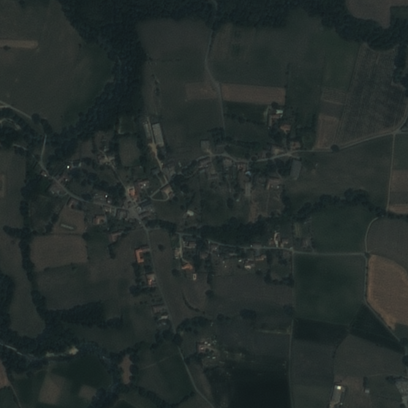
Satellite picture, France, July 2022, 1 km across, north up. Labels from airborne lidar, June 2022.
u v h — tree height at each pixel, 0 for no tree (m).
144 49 12
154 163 0
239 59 0
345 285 0
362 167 0
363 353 0
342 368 0
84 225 0
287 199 18
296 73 0
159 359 0
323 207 8
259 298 0
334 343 0
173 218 0
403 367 0
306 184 0
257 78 0
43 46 0
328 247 0
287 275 0
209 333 0
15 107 0
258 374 0
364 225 0
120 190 8
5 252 0
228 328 0
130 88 21
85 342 16
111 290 0
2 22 0
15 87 0
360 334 0
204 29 0
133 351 8
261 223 17
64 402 0
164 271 0
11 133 20
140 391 19
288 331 0
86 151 0
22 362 18
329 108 0
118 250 0
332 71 0
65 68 0
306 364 0
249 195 0
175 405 11
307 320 0
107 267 0
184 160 0
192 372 0
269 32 0
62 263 0
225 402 0
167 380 0
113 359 26
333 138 0
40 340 24
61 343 21
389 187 0
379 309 0
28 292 0
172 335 16
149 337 0
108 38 16
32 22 0
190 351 0
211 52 0
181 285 0
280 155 0
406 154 0
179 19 15
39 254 0
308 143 0
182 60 0
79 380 0
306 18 0
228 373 0
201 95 0
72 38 0
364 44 0
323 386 0
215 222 0
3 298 24
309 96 0
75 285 0
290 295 0
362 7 0
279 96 0
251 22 21
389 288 0
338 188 0
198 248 14
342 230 0
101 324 15
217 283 0
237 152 0
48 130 18
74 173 27
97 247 0
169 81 0
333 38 0
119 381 18
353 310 0
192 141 0
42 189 0
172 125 0
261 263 0
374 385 0
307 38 0
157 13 19
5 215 0
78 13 15
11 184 0
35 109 0
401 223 0
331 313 0
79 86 0
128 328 0
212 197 0
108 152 10
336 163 0
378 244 0
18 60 0
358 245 0
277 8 26
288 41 0
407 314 0
